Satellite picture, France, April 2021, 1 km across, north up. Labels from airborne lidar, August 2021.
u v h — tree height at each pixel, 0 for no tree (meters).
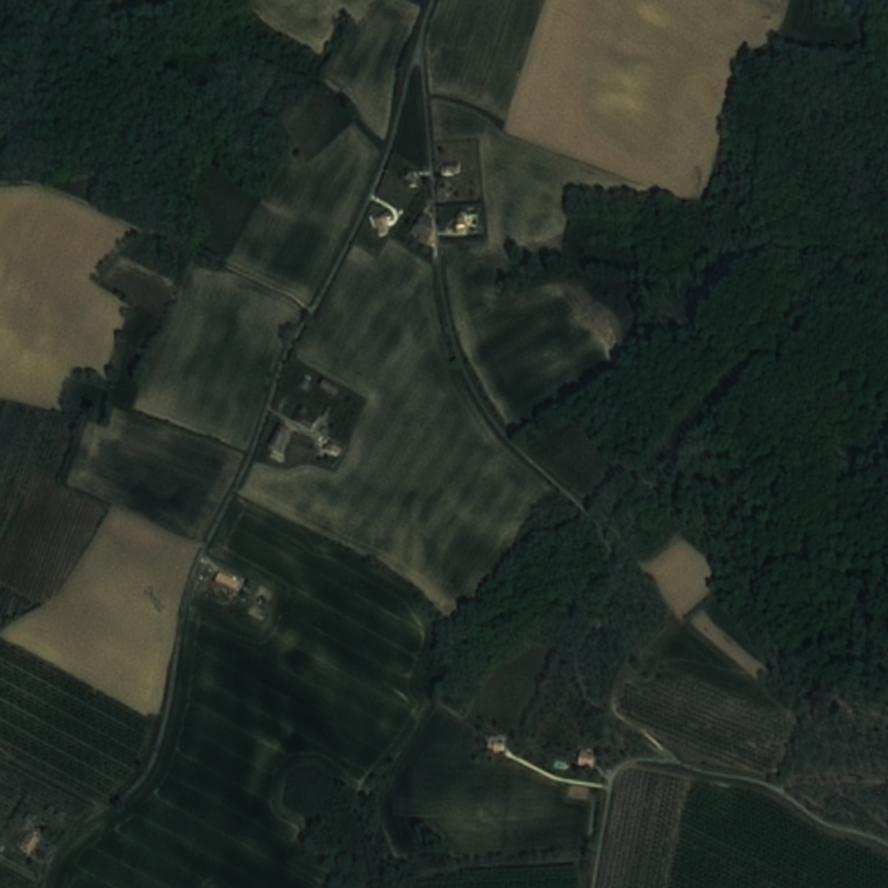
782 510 26
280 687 0
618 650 16
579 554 19
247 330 0
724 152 9
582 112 0
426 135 0
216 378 0
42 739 6
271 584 0
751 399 21
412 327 0
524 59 0
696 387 23
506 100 0
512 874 7
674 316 0
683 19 0
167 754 0
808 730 16
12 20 22
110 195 18
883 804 16
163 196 23
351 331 0
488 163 0
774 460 25
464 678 18
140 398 0
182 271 14
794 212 23
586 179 0
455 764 0
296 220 0
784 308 28
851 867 6
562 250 0
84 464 0
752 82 22
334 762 0
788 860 5
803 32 0
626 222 20
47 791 7
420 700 0
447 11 0
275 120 17
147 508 0
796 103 22
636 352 15
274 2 0
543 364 0
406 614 0
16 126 20
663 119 0
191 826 0
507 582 15
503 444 0
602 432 20
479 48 0
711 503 24
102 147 24
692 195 0
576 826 0
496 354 0
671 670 0
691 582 0
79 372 12
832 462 29
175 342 0
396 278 0
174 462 0
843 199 21
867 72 23
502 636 22
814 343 24
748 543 22
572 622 18
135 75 27
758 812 5
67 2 21
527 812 0
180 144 23
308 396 0
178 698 0
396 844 0
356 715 0
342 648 0
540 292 0
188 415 0
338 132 0
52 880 0
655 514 18
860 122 20
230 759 0
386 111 0
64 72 24
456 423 0
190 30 22
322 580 0
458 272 0
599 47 0
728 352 20
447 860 13
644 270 16
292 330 15
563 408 16
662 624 18
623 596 20
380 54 0
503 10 0
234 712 0
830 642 12
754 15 0
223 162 21
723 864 6
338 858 15
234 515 0
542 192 0
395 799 0
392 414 0
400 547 0
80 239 0
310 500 0
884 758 15
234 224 0
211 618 0
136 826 0
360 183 0
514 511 0
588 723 20
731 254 11
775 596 27
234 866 0
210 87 22
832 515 26
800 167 26
